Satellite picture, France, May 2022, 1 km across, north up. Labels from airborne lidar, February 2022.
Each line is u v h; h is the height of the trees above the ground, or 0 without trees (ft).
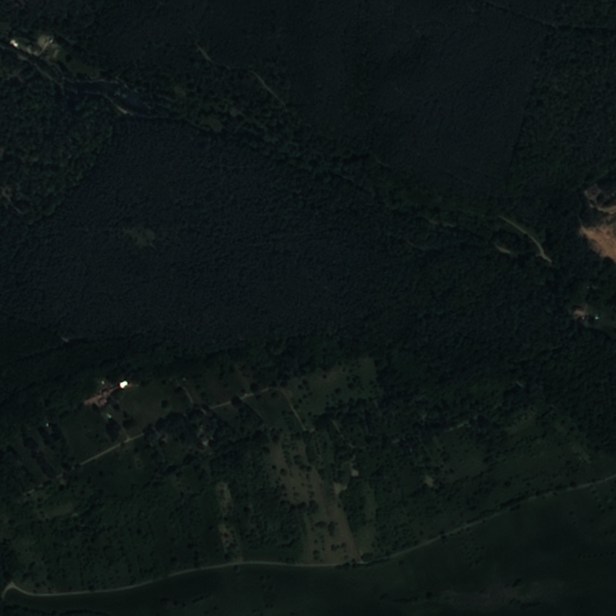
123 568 0
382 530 20
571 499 0
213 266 67
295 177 65
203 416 73
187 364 84
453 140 58
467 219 34
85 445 0
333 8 50
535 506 0
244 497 25
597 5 86
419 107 63
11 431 91
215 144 93
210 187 81
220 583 0
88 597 0
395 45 62
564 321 84
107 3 63
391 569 0
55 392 73
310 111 48
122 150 76
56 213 78
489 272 87
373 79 76
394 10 46
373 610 0
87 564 20
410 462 38
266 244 71
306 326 77
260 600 0
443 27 60
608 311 0
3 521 0
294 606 0
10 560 34
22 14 76
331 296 64
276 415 0
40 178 96
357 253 66
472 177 62
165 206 53
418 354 81
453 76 57
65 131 88
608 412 98
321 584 0
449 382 78
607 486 0
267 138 39
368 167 67
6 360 52
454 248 83
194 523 21
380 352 63
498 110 57
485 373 73
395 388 50
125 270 65
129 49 62
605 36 94
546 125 89
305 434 22
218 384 0
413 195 0
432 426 64
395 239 47
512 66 66
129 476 0
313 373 58
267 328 79
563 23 72
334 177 75
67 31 106
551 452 0
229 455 26
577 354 92
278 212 80
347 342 75
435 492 36
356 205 69
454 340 80
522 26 63
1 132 91
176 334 61
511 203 65
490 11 57
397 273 73
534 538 0
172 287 67
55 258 72
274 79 76
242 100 117
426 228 49
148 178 72
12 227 95
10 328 50
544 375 77
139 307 71
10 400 81
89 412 0
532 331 77
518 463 0
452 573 0
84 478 0
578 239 42
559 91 87
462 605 0
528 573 0
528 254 62
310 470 28
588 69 91
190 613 0
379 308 79
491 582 0
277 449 0
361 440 0
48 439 78
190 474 0
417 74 55
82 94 105
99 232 67
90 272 75
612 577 0
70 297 74
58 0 79
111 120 119
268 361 66
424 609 0
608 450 70
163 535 0
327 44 55
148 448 37
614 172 20
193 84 35
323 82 58
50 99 97
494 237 57
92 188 71
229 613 0
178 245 68
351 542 0
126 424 28
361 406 40
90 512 40
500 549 0
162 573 24
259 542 22
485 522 21
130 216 54
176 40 60
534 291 105
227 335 91
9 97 95
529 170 62
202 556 20
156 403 0
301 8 45
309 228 79
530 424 0
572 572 0
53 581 29
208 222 83
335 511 0
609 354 87
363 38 58
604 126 83
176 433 54
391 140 56
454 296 72
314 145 97
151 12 50
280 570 0
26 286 89
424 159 51
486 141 59
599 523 0
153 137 72
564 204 79
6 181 91
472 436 39
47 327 57
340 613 0
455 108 64
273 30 90
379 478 33
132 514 21
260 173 71
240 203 65
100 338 50
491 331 71
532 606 19
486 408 26
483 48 59
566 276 57
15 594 0
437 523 0
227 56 44
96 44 72
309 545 0
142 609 0
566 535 0
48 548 27
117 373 82
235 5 48
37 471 0
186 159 70
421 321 91
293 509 36
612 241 0
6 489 78
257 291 69
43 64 85
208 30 38
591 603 0
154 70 99
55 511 0
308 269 69
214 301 66
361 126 71
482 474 25
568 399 87
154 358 74
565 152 64
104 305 73
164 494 20
